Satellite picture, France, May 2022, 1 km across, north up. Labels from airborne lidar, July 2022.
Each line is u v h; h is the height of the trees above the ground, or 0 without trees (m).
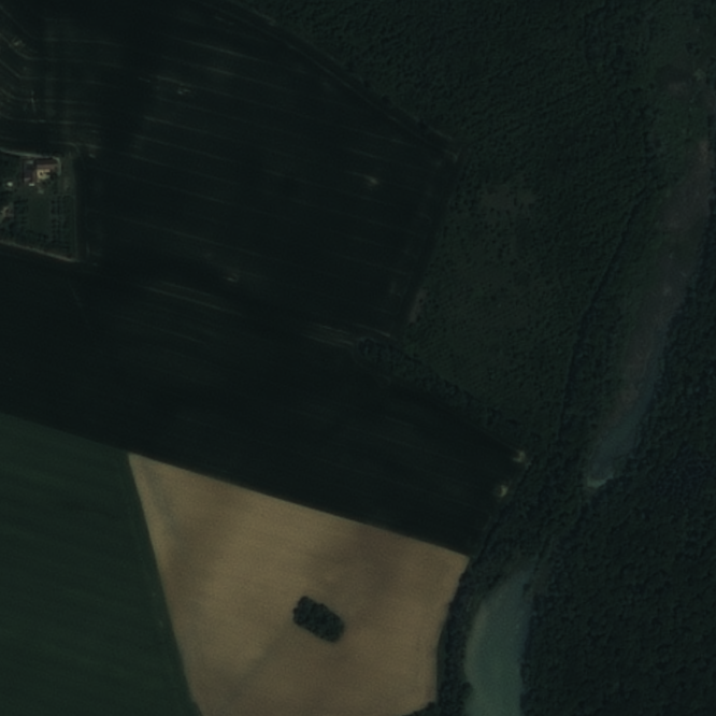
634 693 29
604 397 7
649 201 23
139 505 0
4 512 0
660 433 27
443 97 7
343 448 0
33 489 0
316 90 0
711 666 26
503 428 27
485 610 0
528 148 7
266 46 0
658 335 0
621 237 8
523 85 8
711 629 22
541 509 20
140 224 0
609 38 20
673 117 6
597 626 28
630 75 27
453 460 0
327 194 0
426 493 0
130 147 0
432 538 0
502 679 0
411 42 12
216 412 0
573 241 6
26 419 0
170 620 0
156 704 0
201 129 0
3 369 0
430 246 0
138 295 0
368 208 0
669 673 28
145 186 0
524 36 9
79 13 0
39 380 0
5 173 9
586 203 6
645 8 20
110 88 0
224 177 0
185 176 0
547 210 7
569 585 24
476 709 0
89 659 0
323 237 0
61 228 6
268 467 0
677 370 11
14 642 0
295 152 0
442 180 0
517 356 8
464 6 13
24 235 11
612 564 26
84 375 0
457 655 16
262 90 0
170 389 0
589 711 31
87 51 0
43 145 0
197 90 0
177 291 0
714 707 29
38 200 0
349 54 8
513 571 0
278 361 0
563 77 7
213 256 0
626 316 6
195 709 0
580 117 8
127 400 0
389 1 6
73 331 0
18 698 0
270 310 0
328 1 9
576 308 6
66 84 0
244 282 0
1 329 0
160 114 0
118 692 0
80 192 0
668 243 0
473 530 0
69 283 0
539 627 20
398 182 0
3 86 0
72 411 0
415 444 0
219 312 0
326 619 19
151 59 0
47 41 0
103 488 0
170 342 0
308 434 0
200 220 0
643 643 29
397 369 19
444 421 0
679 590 25
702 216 0
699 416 22
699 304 21
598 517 25
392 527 0
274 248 0
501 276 0
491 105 9
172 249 0
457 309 6
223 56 0
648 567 27
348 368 0
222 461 0
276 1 7
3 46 0
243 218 0
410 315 0
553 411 7
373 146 0
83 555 0
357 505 0
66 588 0
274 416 0
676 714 29
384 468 0
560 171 7
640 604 24
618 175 8
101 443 0
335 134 0
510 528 9
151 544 0
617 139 12
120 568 0
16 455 0
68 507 0
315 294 0
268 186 0
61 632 0
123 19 0
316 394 0
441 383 23
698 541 23
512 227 8
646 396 0
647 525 24
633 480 23
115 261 0
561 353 6
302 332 0
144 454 0
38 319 0
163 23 0
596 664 29
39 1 0
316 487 0
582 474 11
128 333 0
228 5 0
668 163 8
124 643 0
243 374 0
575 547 25
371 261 0
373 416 0
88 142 0
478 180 6
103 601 0
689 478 25
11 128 0
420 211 0
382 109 0
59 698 0
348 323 0
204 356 0
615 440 0
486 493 0
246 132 0
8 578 0
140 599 0
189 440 0
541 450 23
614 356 8
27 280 0
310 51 0
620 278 20
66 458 0
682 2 14
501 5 10
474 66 6
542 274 7
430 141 0
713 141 6
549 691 25
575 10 13
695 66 0
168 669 0
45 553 0
